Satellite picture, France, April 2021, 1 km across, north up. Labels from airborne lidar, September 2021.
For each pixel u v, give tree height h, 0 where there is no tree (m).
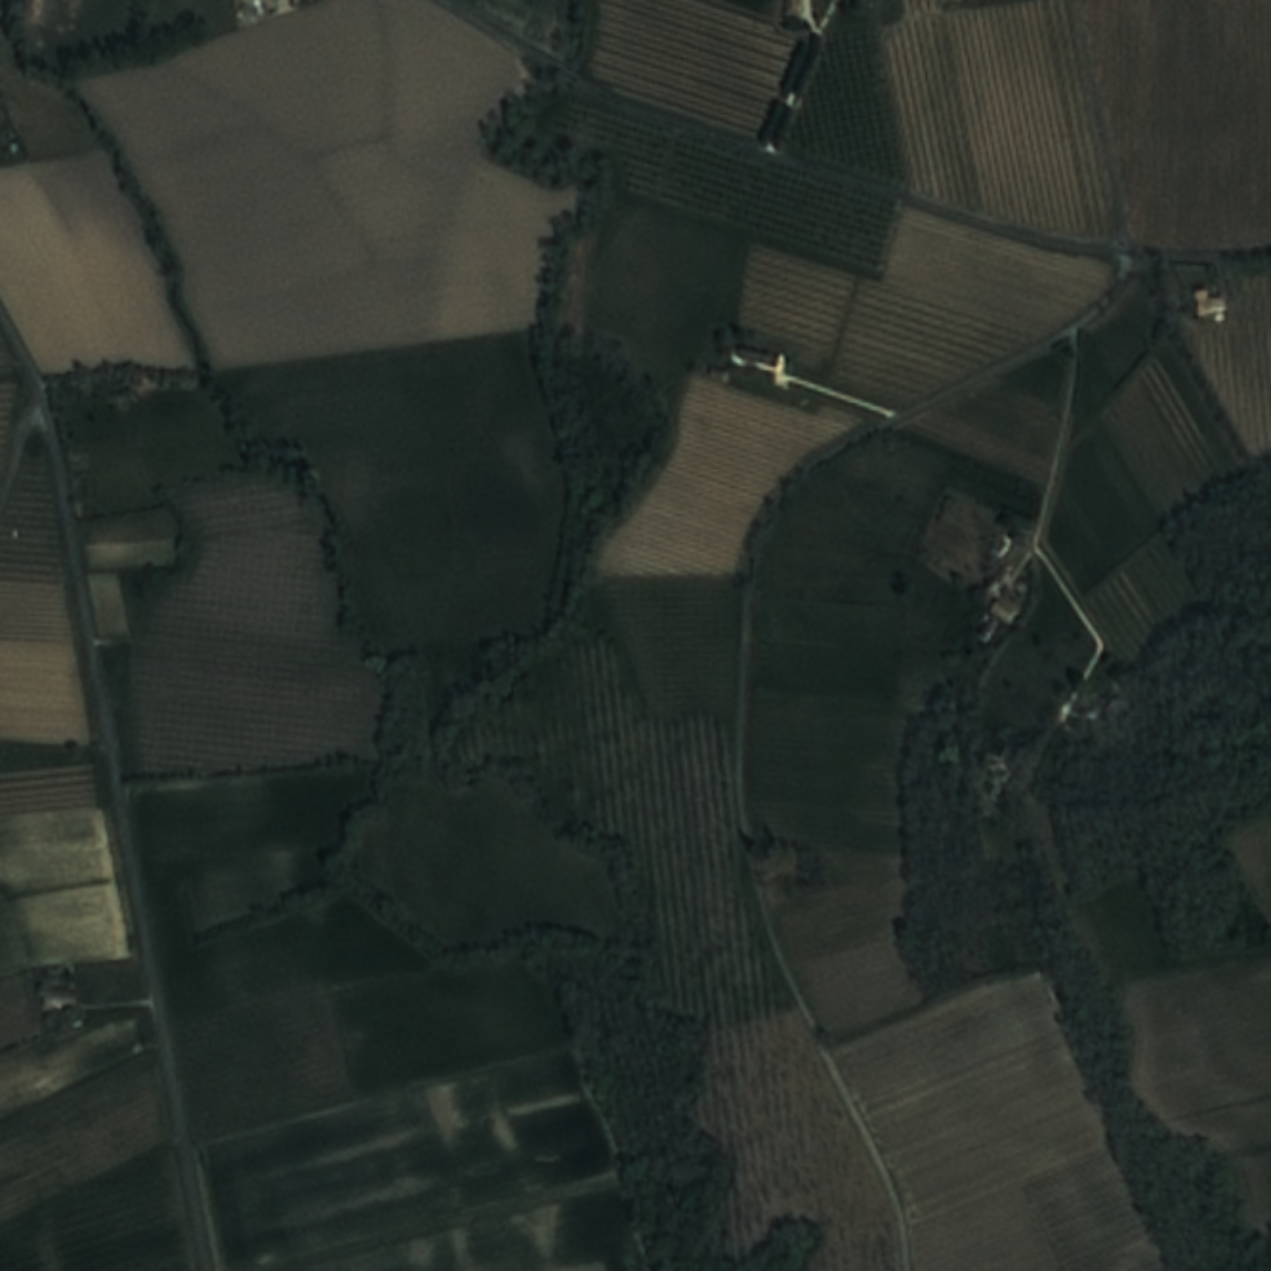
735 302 0
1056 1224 0
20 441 0
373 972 0
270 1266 0
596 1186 0
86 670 0
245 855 0
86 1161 0
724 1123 26
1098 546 0
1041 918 14
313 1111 0
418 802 0
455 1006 0
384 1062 0
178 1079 0
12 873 0
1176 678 14
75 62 16
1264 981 0
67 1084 0
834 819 0
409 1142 0
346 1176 0
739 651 0
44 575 0
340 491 0
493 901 0
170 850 0
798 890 10
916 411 0
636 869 16
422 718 14
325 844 0
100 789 0
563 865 0
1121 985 0
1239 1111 0
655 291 0
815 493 0
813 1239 14
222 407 11
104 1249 0
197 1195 0
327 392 0
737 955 19
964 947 12
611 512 12
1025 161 0
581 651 13
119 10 0
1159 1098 0
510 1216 0
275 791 0
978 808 14
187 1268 0
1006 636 8
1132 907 0
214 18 0
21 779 0
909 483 0
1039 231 0
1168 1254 21
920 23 0
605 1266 0
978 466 0
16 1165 0
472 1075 0
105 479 0
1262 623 25
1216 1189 22
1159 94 0
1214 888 19
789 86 8
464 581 0
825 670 0
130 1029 0
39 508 0
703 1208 18
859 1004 0
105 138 9
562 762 0
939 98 0
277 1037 0
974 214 0
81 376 13
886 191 0
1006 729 0
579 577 11
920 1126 0
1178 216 0
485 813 0
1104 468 0
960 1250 0
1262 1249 15
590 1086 12
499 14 0
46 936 0
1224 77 0
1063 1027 17
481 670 6
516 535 0
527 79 0
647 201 0
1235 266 10
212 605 8
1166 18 0
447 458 0
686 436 0
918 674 0
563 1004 17
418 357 0
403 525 0
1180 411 0
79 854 0
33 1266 0
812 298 0
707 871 22
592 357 16
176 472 0
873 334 0
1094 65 0
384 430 0
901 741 0
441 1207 0
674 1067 16
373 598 0
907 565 0
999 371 0
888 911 0
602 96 0
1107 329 0
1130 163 0
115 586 0
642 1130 13
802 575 0
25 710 0
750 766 0
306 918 0
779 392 0
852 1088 0
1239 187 0
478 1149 0
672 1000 18
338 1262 0
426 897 0
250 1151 0
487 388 0
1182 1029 0
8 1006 0
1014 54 0
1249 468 9
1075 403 0
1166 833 20
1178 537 12
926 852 14
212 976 0
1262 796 17
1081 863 18
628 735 15
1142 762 15
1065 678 0
